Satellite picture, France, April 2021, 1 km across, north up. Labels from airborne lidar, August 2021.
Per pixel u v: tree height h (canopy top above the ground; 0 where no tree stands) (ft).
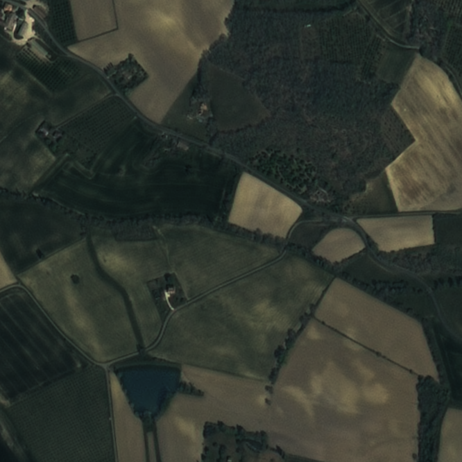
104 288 0
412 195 0
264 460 0
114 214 0
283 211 0
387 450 0
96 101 0
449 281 0
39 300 0
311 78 30
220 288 0
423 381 49
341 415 0
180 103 0
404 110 0
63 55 0
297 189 28
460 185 0
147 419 78
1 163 0
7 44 0
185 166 0
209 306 0
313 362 0
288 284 0
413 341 0
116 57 0
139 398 0
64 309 0
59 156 44
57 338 0
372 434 0
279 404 0
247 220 0
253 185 0
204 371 0
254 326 0
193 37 0
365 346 0
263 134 64
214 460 0
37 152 0
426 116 0
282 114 33
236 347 0
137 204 0
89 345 0
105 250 0
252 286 0
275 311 0
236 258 0
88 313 0
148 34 0
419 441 44
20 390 0
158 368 0
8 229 0
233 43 41
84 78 0
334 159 43
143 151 0
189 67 0
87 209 0
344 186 39
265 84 30
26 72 0
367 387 0
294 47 37
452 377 0
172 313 0
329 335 0
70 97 0
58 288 0
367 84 31
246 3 63
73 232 0
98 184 0
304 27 0
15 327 0
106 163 0
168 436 0
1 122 0
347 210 35
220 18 0
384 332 0
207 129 22
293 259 0
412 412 0
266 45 42
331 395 0
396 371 0
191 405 0
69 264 0
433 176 0
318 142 42
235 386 0
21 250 0
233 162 24
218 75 0
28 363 0
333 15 62
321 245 0
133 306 0
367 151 35
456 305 0
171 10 0
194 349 0
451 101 0
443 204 0
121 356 0
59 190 0
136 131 0
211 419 0
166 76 0
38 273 0
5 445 0
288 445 0
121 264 0
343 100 65
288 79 34
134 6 0
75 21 0
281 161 26
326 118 30
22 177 0
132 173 0
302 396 0
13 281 0
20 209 0
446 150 0
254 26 58
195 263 0
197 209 0
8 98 0
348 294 0
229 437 0
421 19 21
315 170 31
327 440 0
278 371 35
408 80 0
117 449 0
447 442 0
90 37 0
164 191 0
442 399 50
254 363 0
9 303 0
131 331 0
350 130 37
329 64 42
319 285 0
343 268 54
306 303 0
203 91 59
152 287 0
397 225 0
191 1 0
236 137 57
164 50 0
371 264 0
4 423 0
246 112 0
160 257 0
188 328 0
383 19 0
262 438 40
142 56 0
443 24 58
